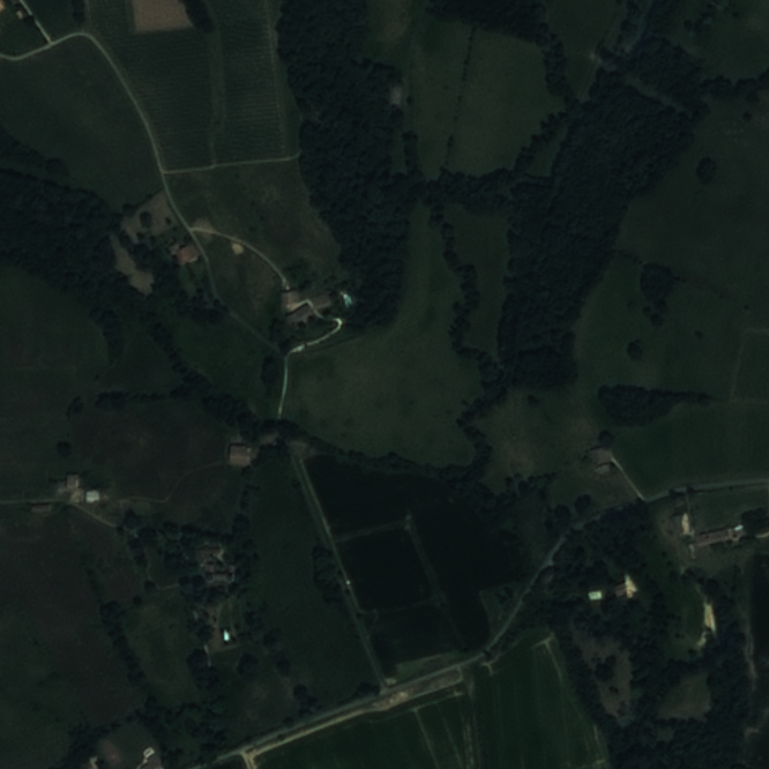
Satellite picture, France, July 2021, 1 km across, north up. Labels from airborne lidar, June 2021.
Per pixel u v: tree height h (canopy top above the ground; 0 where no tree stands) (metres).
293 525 0
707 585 21
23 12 7
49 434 0
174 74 0
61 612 0
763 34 0
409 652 0
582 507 19
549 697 0
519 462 0
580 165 19
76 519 0
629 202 12
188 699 0
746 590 0
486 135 0
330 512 0
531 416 0
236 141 0
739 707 15
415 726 0
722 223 0
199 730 8
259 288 0
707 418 0
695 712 0
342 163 29
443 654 0
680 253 0
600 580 21
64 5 0
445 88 0
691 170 0
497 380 7
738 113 0
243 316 0
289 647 0
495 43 0
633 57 6
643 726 15
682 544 0
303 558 0
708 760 18
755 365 0
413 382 0
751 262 0
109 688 0
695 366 0
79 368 0
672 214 0
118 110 0
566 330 9
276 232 0
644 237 0
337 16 26
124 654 13
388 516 0
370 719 0
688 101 20
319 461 0
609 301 0
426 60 0
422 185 19
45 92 0
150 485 0
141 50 0
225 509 0
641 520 24
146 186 0
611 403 20
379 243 24
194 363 0
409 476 0
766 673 0
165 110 0
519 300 18
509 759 0
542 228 21
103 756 0
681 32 0
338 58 25
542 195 18
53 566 0
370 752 0
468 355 14
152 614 0
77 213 15
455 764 0
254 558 25
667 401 20
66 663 0
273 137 0
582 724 0
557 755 0
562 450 0
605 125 23
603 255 20
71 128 0
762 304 0
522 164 17
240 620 0
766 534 0
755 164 0
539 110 0
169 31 0
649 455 0
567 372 19
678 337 0
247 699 0
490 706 0
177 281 7
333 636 0
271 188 0
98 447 0
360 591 0
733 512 0
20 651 0
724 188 0
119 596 0
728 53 0
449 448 0
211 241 0
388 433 0
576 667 16
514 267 18
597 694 20
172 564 23
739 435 0
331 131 23
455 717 0
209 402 20
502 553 0
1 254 19
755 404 0
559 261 27
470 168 0
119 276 9
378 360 0
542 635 0
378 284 11
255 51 0
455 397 0
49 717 0
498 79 0
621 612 18
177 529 21
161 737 15
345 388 0
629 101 24
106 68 0
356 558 0
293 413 0
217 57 0
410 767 0
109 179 0
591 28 0
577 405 0
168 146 0
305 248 0
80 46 0
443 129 0
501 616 0
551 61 19
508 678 0
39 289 0
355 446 0
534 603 11
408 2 0
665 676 21
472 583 0
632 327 0
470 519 0
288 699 0
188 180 0
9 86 0
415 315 0
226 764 0
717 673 8
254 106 0
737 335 0
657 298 16
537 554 0
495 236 0
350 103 15
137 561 11
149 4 0
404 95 0
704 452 0
